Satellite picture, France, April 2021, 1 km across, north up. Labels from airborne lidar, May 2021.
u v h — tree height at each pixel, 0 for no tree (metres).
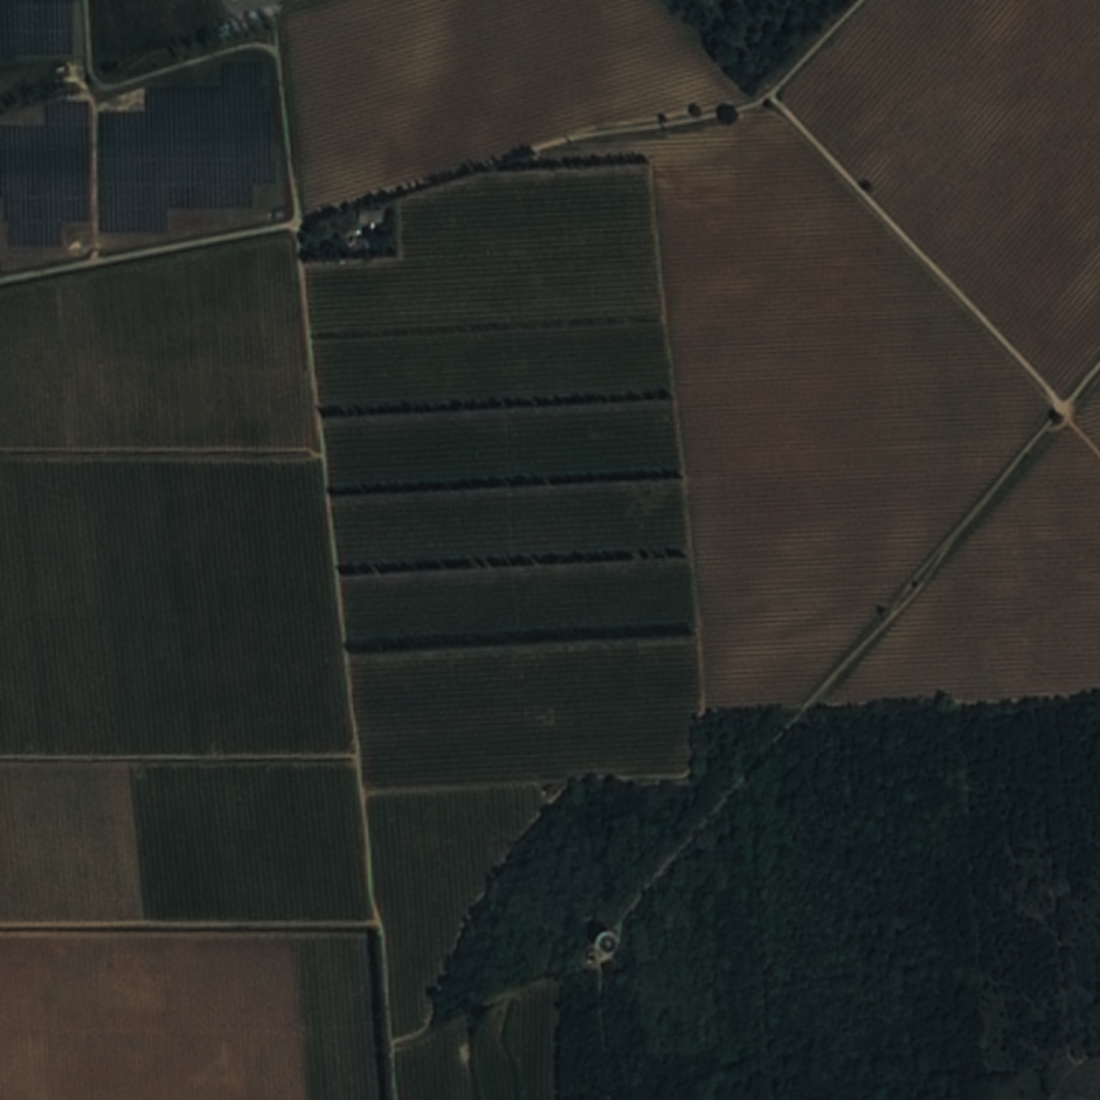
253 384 0
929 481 0
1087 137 0
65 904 0
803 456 0
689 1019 13
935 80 0
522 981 13
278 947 0
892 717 7
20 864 0
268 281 0
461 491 11
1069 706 8
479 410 15
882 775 7
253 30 24
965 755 6
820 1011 8
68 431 0
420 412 9
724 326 0
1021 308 0
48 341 0
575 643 21
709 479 0
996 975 6
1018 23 0
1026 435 0
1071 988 6
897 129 0
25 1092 0
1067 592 0
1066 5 0
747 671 0
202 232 0
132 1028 0
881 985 7
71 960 0
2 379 0
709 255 0
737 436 0
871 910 8
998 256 0
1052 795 8
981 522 0
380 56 0
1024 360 0
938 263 0
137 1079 0
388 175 0
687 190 0
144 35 0
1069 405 0
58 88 13
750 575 0
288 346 0
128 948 0
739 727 8
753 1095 13
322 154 0
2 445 0
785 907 9
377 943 16
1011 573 0
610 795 8
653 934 12
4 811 0
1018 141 0
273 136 0
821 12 10
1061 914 7
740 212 0
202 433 0
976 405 0
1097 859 6
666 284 0
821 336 0
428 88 0
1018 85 0
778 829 9
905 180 0
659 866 8
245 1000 0
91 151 0
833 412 0
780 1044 8
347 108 0
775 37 9
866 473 0
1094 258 0
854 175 0
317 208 0
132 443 0
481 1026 16
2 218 0
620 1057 6
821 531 0
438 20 0
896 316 0
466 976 6
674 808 12
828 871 7
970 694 0
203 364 0
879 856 8
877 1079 8
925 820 10
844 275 0
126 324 0
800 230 0
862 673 0
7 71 0
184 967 0
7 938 0
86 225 0
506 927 10
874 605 0
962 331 0
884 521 0
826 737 8
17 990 0
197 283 0
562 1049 7
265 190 0
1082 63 0
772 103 8
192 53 25
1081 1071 0
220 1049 0
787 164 0
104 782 0
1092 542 0
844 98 0
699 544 0
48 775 0
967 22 0
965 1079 10
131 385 0
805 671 0
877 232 0
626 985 8
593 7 0
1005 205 0
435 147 0
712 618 0
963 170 0
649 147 0
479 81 0
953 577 0
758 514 0
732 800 9
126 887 0
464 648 20
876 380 0
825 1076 8
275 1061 0
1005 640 0
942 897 10
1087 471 0
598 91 0
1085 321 0
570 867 10
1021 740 7
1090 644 0
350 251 10
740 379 0
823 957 7
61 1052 0
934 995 8
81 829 0
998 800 7
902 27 0
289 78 0
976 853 7
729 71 9
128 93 0
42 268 0
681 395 0
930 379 0
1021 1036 6
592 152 0
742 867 9
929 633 0
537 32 0
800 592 0
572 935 10
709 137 0
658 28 0
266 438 0
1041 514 0
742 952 7
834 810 8
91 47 0
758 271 0
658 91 0
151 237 0
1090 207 0
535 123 0
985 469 0
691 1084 8
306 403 0
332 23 0
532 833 8
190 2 0
